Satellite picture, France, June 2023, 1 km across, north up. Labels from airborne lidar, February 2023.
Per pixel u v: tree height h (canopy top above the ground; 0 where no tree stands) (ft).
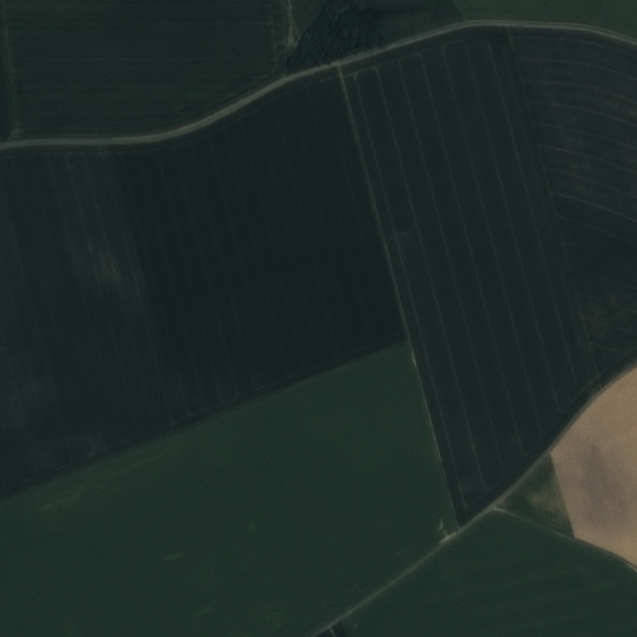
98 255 0
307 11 0
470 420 0
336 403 0
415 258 0
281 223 0
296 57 20
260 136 0
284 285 0
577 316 0
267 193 0
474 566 0
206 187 0
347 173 0
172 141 0
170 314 0
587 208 0
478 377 0
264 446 0
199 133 0
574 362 0
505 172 0
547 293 0
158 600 0
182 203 0
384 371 0
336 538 0
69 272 0
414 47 0
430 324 0
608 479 0
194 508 0
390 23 0
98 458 0
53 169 0
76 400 0
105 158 0
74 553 0
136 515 0
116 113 0
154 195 0
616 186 0
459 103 0
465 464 0
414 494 0
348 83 0
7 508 0
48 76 0
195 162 0
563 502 0
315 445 0
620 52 0
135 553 0
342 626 0
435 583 0
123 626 0
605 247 0
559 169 0
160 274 0
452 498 0
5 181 0
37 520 0
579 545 0
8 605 0
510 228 0
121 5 0
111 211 0
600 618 0
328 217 0
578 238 0
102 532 0
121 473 0
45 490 0
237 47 0
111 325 0
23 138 0
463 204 0
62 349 0
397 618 0
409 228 0
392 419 0
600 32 0
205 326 0
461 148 0
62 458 0
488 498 0
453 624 0
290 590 0
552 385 0
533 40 0
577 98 0
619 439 0
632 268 0
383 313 0
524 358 0
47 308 0
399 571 0
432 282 0
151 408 0
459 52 0
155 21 0
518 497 0
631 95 0
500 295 0
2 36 0
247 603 0
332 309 0
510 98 0
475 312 0
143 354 0
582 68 0
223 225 0
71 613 0
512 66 0
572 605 0
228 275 0
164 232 0
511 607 0
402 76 0
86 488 0
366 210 0
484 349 0
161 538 0
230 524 0
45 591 0
